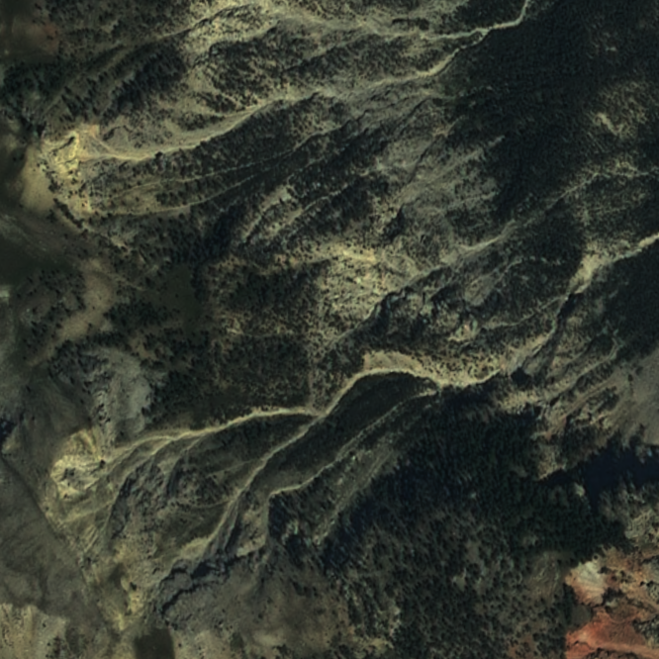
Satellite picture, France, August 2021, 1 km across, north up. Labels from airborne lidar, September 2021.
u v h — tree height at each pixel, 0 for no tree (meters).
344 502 0
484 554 8
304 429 0
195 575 0
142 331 6
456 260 0
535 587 0
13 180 0
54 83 11
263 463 0
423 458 7
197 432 0
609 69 10
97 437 0
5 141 0
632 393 0
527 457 9
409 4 6
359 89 0
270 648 0
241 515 0
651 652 0
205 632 0
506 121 13
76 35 11
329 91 0
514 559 7
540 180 8
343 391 0
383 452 0
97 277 0
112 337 11
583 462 8
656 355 0
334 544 10
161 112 9
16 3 0
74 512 0
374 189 8
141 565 0
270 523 0
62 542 0
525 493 19
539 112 14
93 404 0
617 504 12
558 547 11
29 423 0
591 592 0
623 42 13
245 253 10
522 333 7
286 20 0
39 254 0
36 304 0
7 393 0
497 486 8
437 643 8
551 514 13
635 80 8
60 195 0
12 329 0
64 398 0
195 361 11
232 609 0
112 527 0
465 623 12
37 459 0
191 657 0
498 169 11
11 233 0
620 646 0
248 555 0
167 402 15
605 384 0
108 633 0
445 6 0
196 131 0
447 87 0
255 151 8
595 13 7
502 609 10
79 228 8
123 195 0
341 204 10
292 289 6
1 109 0
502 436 13
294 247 8
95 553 0
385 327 6
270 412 0
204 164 9
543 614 7
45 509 0
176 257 12
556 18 8
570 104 14
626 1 9
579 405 0
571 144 8
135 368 0
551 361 0
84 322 0
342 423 6
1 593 0
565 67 13
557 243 12
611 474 8
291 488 0
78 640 0
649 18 9
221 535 0
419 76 0
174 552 0
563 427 0
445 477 10
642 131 12
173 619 0
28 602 0
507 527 8
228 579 0
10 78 7
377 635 12
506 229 0
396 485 9
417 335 10
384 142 11
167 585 0
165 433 0
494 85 6
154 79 12
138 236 8
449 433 15
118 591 0
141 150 0
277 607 0
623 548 10
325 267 11
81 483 0
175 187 0
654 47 14
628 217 10
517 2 7
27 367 0
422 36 0
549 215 7
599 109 7
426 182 0
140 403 0
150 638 0
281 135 10
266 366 6
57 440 0
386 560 0
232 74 6
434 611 9
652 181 9
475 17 7
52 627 0
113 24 0
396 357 0
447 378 0
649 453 0
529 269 8
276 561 0
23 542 0
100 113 14
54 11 7
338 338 0
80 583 0
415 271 0
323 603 0
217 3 7
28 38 0
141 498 0
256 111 0
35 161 0
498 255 8
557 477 12
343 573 6
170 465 0
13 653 0
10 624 0
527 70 11
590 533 20
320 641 0
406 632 15
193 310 0
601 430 7
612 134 8
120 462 0
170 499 0
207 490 8
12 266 0
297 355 9
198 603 0
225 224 9
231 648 0
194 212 9
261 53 7
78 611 0
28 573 0
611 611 8
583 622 0
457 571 8
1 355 0
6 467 0
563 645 13
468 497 9
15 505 0
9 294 0
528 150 12
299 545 7
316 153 7
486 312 10
